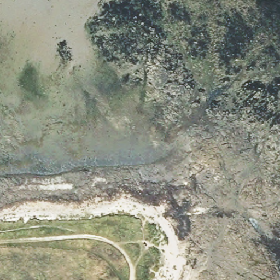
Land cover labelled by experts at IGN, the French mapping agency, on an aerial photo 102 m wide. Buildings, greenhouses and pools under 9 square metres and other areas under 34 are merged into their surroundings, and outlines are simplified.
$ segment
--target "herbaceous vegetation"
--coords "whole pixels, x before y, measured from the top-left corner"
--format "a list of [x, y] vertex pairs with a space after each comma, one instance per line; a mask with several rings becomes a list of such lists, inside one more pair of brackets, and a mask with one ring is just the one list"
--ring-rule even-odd
[[270, 19], [272, 14], [280, 17], [280, 0], [255, 0], [257, 8], [260, 5], [267, 5], [267, 19]]
[[144, 215], [140, 213], [132, 215], [118, 211], [95, 215], [92, 219], [82, 217], [79, 220], [39, 220], [33, 217], [27, 222], [24, 222], [23, 218], [17, 221], [0, 220], [0, 240], [73, 234], [104, 236], [119, 243], [126, 250], [133, 267], [136, 268], [136, 280], [152, 280], [155, 275], [150, 272], [150, 268], [159, 270], [160, 250], [150, 247], [145, 250], [147, 244], [142, 243], [142, 240], [150, 241], [160, 229], [156, 229], [155, 223], [142, 225]]
[[0, 280], [129, 280], [129, 265], [120, 250], [112, 244], [92, 238], [0, 244]]

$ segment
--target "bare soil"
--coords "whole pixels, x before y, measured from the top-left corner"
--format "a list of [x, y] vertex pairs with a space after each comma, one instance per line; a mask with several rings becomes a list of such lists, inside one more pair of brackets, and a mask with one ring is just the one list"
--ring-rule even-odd
[[150, 247], [160, 250], [159, 270], [150, 268], [150, 272], [155, 275], [152, 280], [280, 280], [280, 17], [272, 14], [270, 19], [267, 19], [267, 5], [260, 5], [257, 8], [255, 0], [0, 0], [0, 220], [17, 221], [23, 218], [24, 222], [27, 222], [33, 217], [39, 220], [79, 220], [82, 217], [92, 219], [95, 215], [118, 211], [132, 215], [140, 213], [144, 215], [142, 225], [155, 223], [156, 229], [160, 229], [150, 241], [142, 240], [142, 243], [147, 244], [145, 250]]

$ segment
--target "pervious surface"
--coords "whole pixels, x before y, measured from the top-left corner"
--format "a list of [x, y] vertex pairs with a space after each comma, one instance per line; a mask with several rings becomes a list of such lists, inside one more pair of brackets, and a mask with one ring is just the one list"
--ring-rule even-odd
[[136, 280], [136, 268], [133, 267], [126, 250], [119, 243], [104, 236], [73, 234], [0, 240], [0, 244], [92, 238], [112, 244], [120, 250], [129, 265], [129, 280]]

